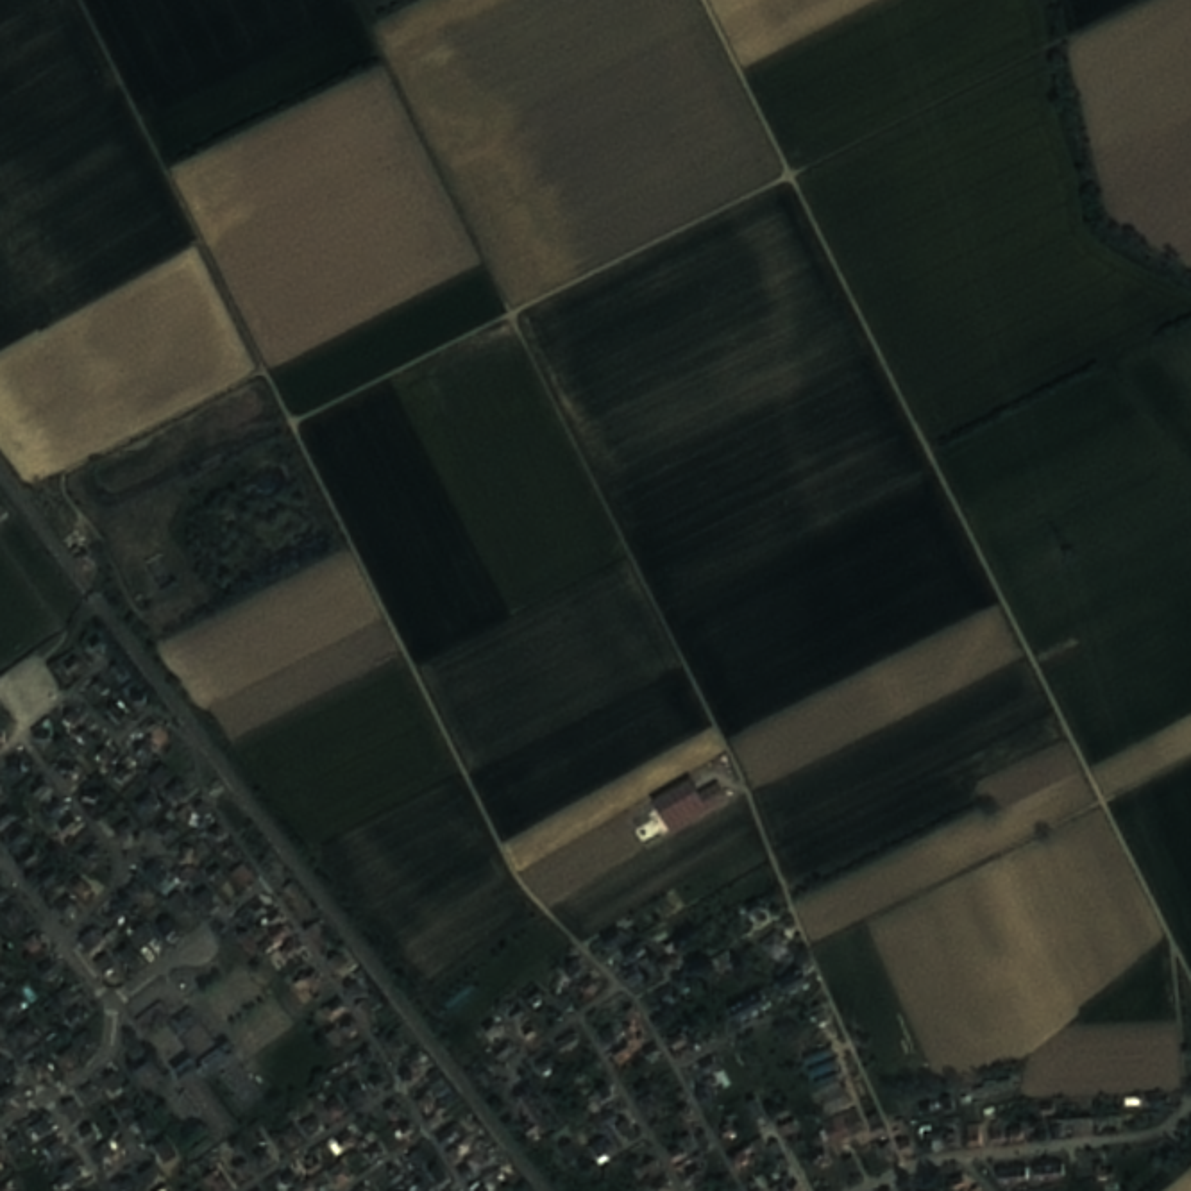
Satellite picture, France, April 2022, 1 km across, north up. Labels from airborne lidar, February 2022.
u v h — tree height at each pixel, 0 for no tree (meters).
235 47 0
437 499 0
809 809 0
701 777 0
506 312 0
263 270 0
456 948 0
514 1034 0
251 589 7
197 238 0
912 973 0
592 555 0
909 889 0
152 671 0
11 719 12
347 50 0
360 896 0
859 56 0
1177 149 0
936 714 0
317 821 0
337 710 0
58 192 0
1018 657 0
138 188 0
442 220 0
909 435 0
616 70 0
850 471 0
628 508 0
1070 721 0
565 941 0
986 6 0
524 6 0
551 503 0
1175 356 0
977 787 0
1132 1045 0
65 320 0
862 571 0
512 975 0
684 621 0
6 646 0
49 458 0
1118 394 0
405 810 0
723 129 0
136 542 0
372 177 0
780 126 0
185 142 0
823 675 0
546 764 0
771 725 0
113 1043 0
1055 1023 0
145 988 0
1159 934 0
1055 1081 0
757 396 0
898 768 0
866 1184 0
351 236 0
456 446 0
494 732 0
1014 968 0
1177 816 0
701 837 0
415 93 0
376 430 0
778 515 0
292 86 0
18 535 0
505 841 0
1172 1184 0
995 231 0
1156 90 0
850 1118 0
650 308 0
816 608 0
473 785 0
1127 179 0
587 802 0
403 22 0
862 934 0
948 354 0
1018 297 0
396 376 0
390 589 0
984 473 0
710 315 0
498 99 0
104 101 0
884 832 0
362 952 0
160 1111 13
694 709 0
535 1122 0
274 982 0
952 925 0
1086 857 0
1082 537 0
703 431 0
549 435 0
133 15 0
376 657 0
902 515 0
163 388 0
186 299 0
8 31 0
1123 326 0
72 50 0
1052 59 9
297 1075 0
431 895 0
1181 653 0
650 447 0
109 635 13
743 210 0
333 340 0
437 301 0
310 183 0
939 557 0
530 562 0
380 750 0
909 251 0
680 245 0
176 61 0
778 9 0
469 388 0
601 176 0
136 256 0
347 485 0
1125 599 0
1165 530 0
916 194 0
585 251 0
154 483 0
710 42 0
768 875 0
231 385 0
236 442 0
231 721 0
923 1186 6
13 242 0
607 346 0
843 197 0
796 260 0
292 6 0
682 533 0
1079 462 0
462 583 0
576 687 0
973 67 0
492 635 0
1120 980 0
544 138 0
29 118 0
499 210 0
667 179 0
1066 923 0
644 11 0
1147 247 12
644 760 0
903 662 0
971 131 0
